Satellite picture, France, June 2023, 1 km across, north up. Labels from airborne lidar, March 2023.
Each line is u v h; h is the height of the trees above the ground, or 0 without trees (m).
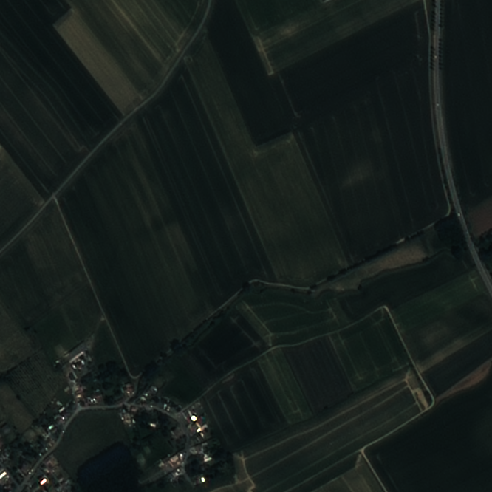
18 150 0
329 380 0
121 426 0
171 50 0
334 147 0
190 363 0
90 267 0
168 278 0
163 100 0
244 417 0
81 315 0
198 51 0
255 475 0
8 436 0
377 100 0
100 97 0
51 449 0
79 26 0
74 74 0
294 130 0
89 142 0
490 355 0
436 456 0
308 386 0
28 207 0
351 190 0
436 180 0
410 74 0
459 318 0
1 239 0
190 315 0
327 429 0
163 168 0
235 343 0
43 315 0
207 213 0
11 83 0
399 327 0
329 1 0
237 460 0
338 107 0
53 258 0
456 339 0
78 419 0
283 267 0
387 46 0
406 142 0
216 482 0
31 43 0
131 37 0
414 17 0
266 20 0
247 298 0
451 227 16
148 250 0
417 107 0
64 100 0
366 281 0
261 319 0
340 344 0
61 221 0
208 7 0
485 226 0
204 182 0
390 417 0
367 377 0
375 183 0
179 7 0
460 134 0
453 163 0
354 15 0
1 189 0
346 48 0
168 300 0
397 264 0
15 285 0
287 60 0
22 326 0
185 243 0
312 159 0
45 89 0
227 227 0
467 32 0
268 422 0
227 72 0
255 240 0
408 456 0
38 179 0
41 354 0
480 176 0
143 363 0
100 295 0
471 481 0
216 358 0
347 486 0
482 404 0
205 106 0
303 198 0
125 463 39
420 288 0
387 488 0
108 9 0
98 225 0
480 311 0
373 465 0
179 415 0
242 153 0
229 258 0
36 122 0
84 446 0
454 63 0
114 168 0
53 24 0
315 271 0
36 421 7
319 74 0
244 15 0
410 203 0
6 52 0
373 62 0
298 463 0
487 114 0
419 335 0
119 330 0
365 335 0
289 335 0
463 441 0
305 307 0
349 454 0
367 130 0
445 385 0
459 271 0
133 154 0
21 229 0
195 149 0
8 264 0
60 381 0
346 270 8
